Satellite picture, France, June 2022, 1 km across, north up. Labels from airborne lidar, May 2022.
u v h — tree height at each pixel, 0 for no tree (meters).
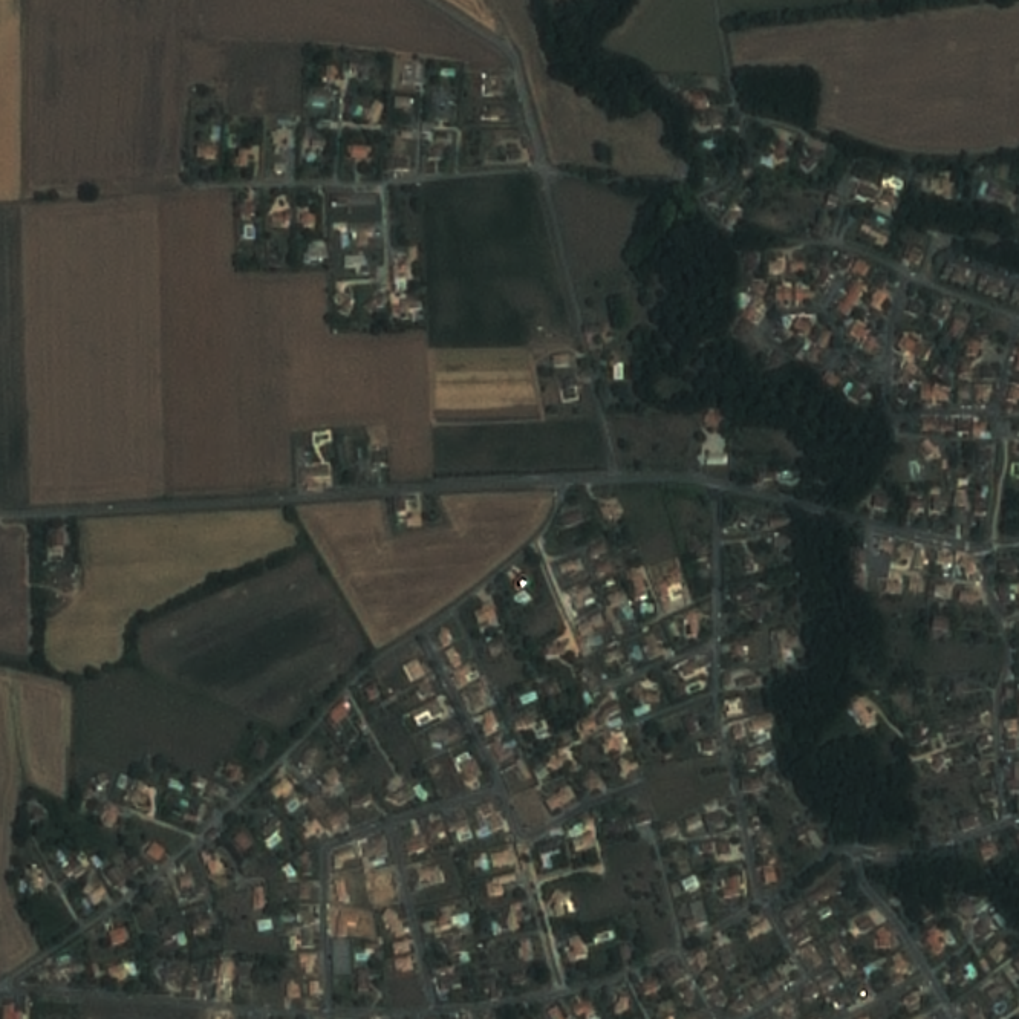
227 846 7
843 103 0
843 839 13
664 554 0
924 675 9
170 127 0
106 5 0
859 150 10
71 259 0
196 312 0
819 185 16
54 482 0
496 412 0
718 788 0
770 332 0
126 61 0
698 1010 0
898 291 0
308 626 0
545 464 0
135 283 0
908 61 0
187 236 0
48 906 0
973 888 16
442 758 0
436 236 0
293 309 0
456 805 0
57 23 0
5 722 0
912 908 15
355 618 0
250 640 0
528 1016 12
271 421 0
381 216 0
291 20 0
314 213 9
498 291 0
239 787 8
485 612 0
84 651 0
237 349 0
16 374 0
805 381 11
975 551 0
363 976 0
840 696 21
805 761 22
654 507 0
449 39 0
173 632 0
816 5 0
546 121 0
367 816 0
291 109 0
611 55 13
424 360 0
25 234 0
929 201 21
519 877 0
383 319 9
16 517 0
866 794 17
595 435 0
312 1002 0
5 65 0
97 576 0
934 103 0
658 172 0
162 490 0
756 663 0
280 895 0
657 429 0
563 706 9
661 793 0
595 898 0
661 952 0
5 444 0
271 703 0
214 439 0
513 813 0
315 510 0
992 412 0
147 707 0
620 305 24
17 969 0
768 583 16
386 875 0
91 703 0
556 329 0
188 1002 0
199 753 0
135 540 0
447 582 0
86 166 0
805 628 11
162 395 0
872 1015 0
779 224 0
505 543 0
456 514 0
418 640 6
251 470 0
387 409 0
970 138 0
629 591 6
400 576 0
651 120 0
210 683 0
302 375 0
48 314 0
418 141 0
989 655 0
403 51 0
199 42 0
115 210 0
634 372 18
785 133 0
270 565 6
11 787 0
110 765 0
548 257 0
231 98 0
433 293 0
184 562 0
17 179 0
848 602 21
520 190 0
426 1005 0
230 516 0
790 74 19
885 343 0
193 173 6
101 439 0
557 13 16
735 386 22
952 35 0
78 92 0
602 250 0
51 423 0
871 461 26
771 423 18
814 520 21
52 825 6
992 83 0
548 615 0
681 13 0
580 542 7
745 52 0
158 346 0
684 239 21
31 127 0
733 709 0
